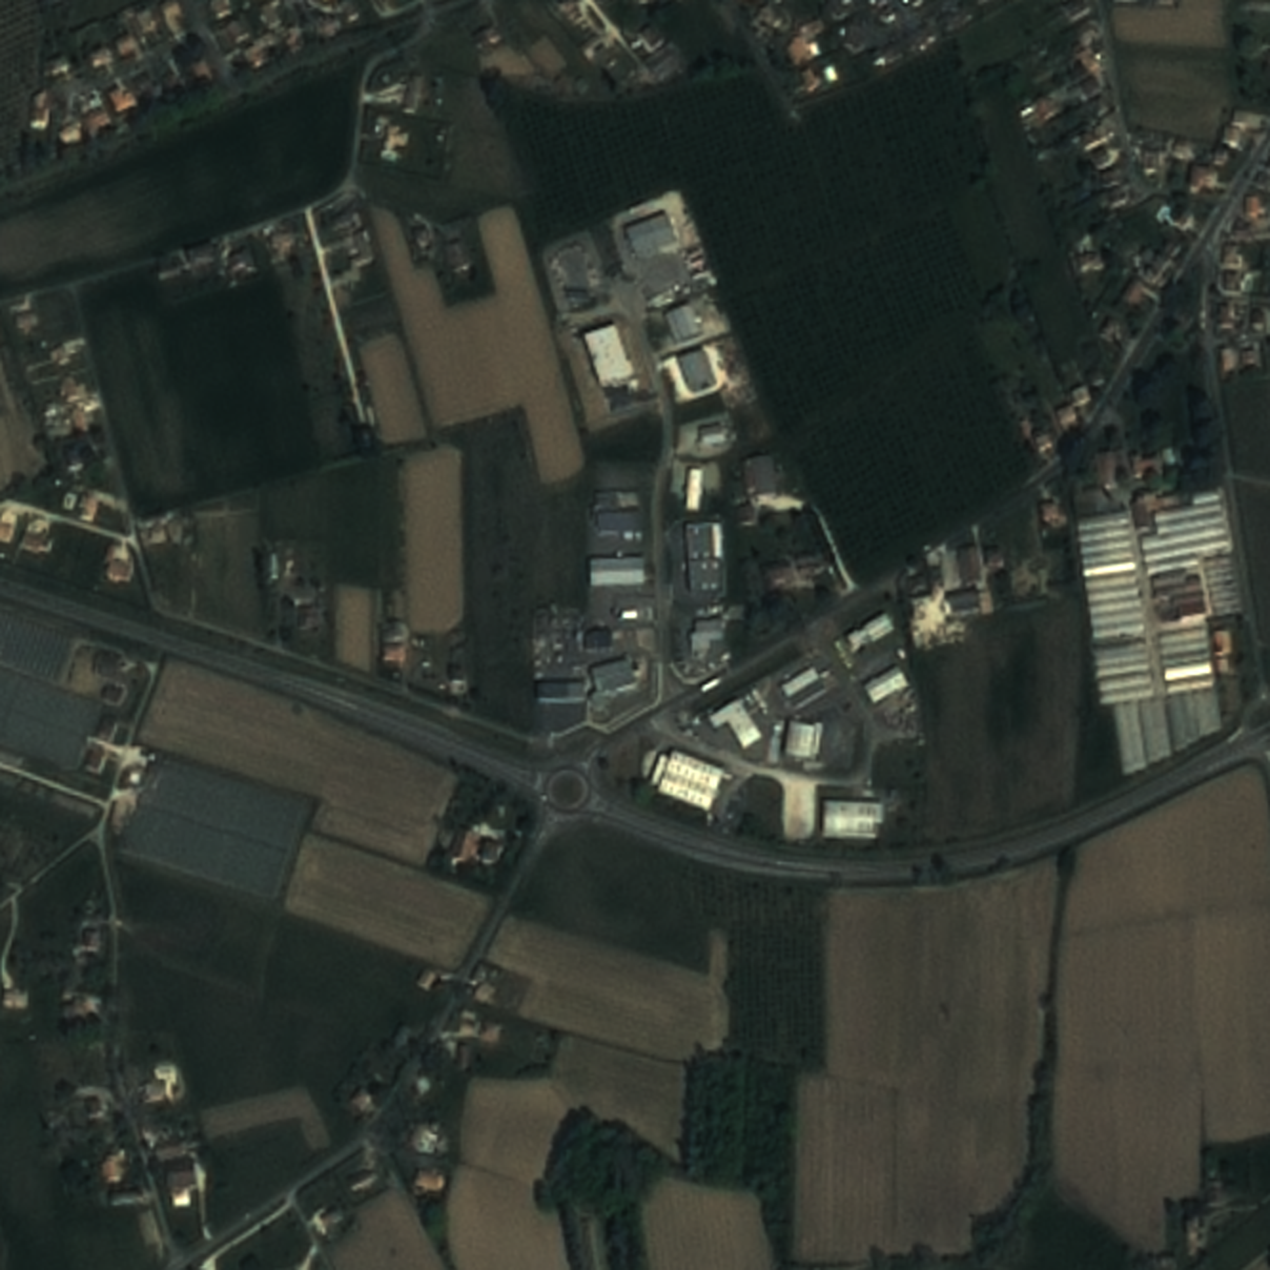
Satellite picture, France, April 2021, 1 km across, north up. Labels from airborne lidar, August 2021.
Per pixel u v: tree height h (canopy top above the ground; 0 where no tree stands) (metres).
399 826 0
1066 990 0
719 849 0
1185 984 0
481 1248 0
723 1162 20
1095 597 0
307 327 0
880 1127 0
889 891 0
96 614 0
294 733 0
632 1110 0
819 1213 0
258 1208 0
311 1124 0
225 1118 0
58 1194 0
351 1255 0
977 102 10
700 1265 0
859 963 0
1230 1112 0
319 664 0
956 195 0
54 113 15
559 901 0
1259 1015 0
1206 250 0
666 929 0
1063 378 8
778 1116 9
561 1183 14
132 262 0
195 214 0
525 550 0
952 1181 0
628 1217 13
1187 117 0
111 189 0
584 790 0
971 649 0
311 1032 0
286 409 0
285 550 0
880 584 0
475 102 0
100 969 12
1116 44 0
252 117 0
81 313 0
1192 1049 0
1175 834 0
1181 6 0
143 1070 0
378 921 0
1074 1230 0
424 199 0
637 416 0
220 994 0
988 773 0
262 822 0
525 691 0
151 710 0
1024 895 0
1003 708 0
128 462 0
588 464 0
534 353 0
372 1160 0
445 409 0
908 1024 0
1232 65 0
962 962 0
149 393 0
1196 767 0
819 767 0
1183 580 0
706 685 0
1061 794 0
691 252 0
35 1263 0
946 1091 0
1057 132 10
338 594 0
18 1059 0
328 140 0
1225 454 18
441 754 0
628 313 0
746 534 0
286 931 0
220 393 0
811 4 0
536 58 0
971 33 0
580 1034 0
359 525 0
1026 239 0
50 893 0
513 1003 0
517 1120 0
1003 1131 0
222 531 0
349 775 0
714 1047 0
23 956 10
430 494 0
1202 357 16
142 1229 0
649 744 0
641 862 0
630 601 0
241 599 0
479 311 0
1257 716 0
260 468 0
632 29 0
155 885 0
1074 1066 0
